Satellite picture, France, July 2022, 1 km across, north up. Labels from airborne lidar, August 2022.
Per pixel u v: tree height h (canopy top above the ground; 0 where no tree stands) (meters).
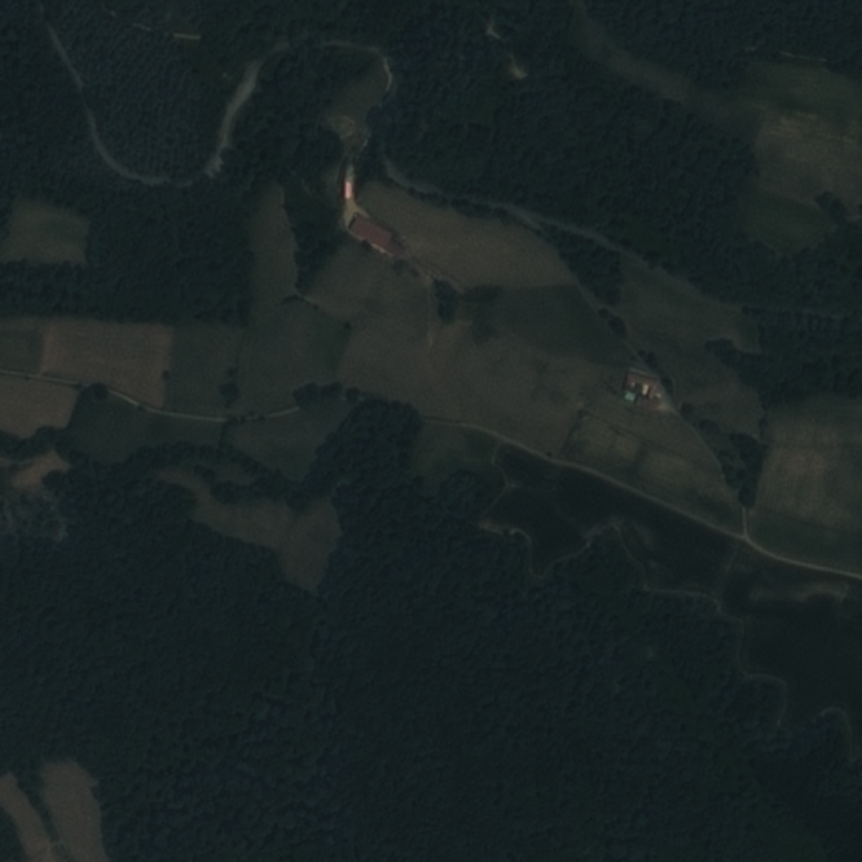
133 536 26
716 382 0
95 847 0
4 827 21
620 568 17
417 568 31
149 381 0
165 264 29
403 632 30
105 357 0
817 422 0
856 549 0
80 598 25
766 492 0
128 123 17
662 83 0
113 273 27
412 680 24
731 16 22
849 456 0
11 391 0
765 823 0
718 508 0
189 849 36
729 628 14
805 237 0
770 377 22
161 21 9
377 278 0
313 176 22
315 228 17
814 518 0
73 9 14
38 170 16
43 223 0
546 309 0
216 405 0
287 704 33
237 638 26
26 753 17
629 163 8
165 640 25
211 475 16
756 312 17
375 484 26
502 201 13
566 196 26
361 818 30
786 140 0
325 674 28
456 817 30
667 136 20
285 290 0
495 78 16
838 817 19
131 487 23
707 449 0
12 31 21
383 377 0
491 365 0
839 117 0
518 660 22
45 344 0
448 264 0
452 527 20
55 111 28
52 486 20
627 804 26
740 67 14
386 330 0
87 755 24
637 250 8
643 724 27
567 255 14
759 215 0
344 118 0
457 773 25
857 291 19
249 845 33
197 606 24
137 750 28
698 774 27
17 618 23
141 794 26
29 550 26
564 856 24
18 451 14
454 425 0
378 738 24
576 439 0
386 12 19
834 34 24
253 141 11
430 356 0
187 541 26
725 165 14
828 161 0
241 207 19
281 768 26
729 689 20
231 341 0
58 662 23
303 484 9
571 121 27
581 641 27
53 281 20
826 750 24
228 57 25
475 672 26
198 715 27
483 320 0
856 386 16
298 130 10
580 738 27
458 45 27
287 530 0
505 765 27
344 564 24
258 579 25
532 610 24
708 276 19
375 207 0
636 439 0
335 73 30
